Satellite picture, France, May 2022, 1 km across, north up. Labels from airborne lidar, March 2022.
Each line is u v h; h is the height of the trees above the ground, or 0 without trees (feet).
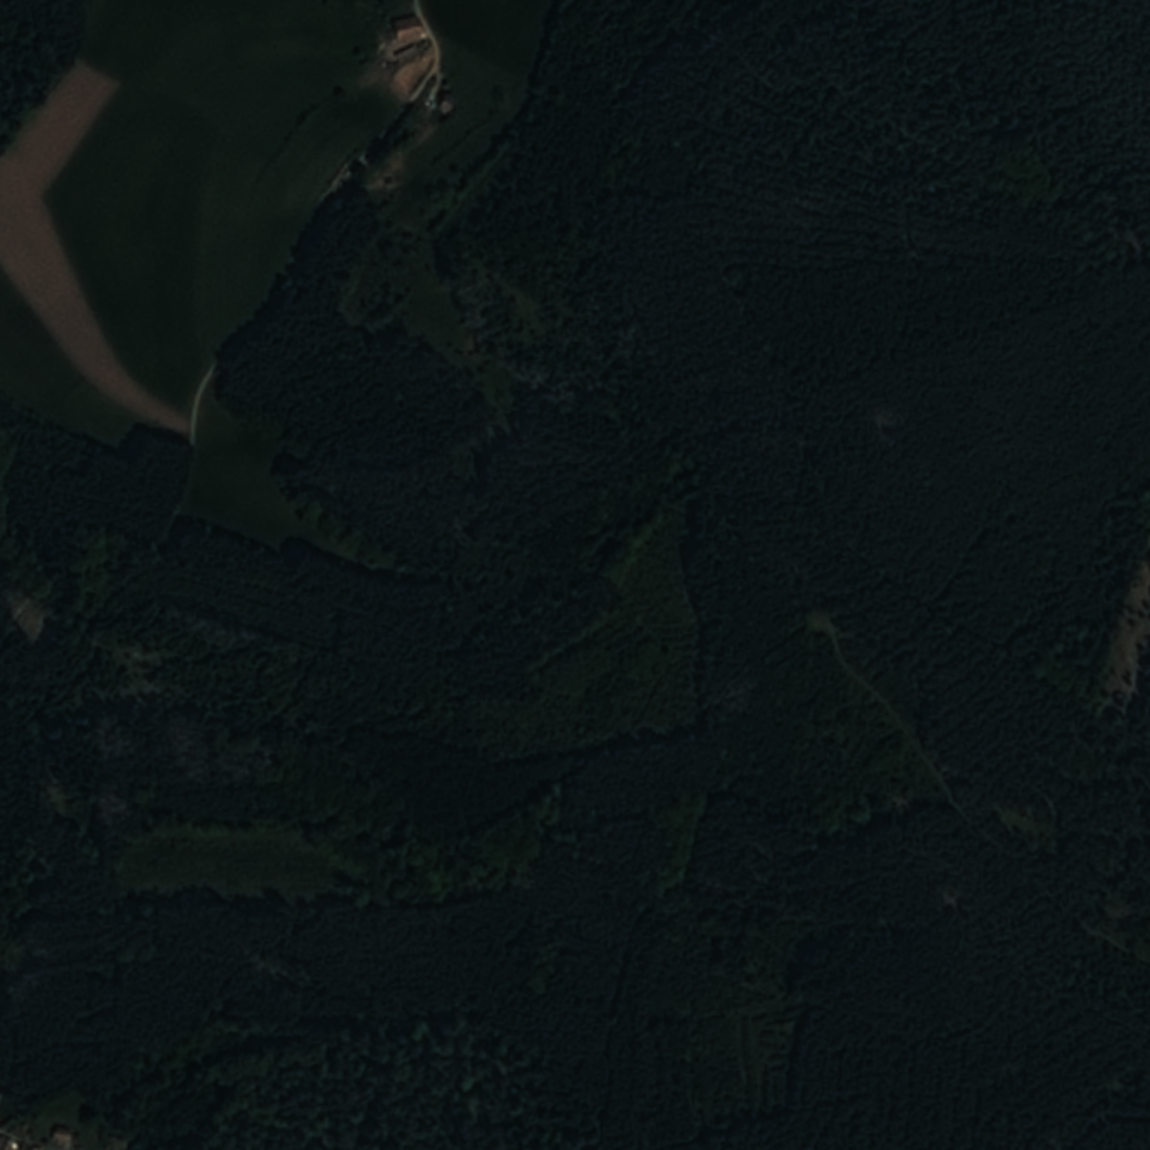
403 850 61
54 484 82
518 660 70
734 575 49
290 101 0
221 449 0
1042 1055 74
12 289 0
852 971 89
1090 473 55
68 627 63
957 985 83
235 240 0
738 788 48
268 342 72
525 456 80
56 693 40
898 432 62
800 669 40
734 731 43
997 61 69
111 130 0
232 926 96
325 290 64
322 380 56
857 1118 60
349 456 75
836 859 87
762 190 64
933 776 0
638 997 93
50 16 69
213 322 0
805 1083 70
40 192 0
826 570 73
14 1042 104
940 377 66
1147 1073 53
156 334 0
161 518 79
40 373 0
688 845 69
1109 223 55
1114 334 43
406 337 83
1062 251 49
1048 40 86
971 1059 67
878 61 72
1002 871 61
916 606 72
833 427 67
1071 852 60
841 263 57
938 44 69
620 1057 58
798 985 55
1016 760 52
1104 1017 55
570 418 102
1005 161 72
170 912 105
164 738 88
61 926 105
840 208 42
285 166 0
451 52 0
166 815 80
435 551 94
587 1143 70
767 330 73
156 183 0
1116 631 65
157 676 35
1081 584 52
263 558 83
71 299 0
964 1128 59
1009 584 61
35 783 80
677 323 76
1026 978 59
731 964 74
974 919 56
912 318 62
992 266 50
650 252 77
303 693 23
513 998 68
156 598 19
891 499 49
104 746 99
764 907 50
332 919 64
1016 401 67
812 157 41
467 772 44
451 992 66
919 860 78
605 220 71
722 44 79
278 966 96
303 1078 90
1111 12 79
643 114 66
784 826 77
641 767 80
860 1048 47
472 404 88
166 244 0
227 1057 68
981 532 29
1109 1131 79
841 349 67
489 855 72
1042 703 75
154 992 103
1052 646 73
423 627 96
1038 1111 58
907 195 70
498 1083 108
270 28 0
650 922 82
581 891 100
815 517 72
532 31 0
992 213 49
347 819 84
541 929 75
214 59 0
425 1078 110
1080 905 76
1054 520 52
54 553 100
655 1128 72
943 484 64
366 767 31
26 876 52
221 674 32
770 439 103
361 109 0
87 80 0
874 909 70
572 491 85
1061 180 64
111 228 0
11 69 30
